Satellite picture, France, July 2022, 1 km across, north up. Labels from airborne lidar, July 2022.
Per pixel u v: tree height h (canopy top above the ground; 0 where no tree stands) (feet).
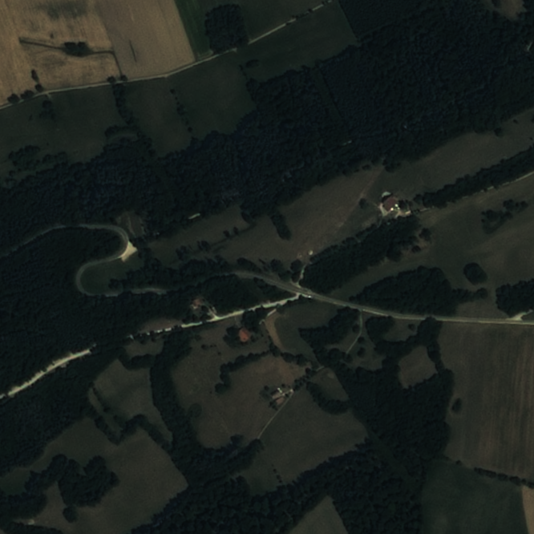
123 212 72
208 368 0
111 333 53
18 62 0
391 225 56
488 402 0
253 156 117
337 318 32
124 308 73
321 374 0
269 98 52
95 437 0
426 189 0
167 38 0
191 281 32
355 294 0
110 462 0
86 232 50
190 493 50
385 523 74
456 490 0
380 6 50
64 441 0
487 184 35
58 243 46
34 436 46
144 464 0
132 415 0
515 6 0
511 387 0
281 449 0
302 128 21
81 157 0
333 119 28
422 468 60
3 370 53
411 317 0
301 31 0
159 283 64
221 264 70
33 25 0
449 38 40
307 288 44
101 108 0
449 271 0
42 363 47
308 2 0
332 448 0
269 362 0
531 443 0
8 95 0
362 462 96
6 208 60
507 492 0
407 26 36
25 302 62
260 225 0
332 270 54
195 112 0
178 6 0
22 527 57
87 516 0
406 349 52
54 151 0
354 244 51
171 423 67
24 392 30
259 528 90
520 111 37
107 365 54
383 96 93
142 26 0
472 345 0
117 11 0
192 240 0
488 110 65
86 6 0
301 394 0
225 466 72
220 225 0
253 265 50
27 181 41
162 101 0
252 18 0
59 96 0
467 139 0
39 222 66
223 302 49
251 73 0
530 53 21
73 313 35
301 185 72
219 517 89
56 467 56
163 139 0
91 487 47
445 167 0
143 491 0
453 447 0
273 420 0
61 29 0
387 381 66
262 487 0
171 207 113
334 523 0
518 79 104
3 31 0
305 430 0
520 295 56
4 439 43
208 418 0
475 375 0
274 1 0
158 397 55
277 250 0
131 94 0
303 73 25
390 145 57
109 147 31
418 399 67
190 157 89
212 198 80
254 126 97
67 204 109
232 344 33
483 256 0
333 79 73
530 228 0
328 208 0
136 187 96
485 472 43
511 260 0
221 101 0
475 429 0
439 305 42
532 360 0
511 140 0
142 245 81
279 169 93
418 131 50
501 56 108
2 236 77
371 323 43
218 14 46
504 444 0
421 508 67
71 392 68
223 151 94
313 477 89
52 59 0
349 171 74
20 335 60
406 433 86
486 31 62
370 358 0
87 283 0
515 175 51
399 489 87
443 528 0
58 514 0
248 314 49
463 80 112
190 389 0
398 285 62
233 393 0
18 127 0
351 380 37
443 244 0
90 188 50
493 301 0
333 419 0
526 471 0
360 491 89
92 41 0
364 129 60
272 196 87
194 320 46
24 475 0
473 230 0
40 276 81
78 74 0
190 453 75
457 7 64
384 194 0
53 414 66
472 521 0
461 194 42
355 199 0
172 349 42
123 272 0
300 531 0
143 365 65
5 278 69
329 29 0
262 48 0
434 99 75
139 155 43
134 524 0
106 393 0
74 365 47
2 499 92
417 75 86
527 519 0
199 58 0
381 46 64
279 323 0
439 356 69
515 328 0
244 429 0
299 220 0
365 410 50
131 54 0
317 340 40
